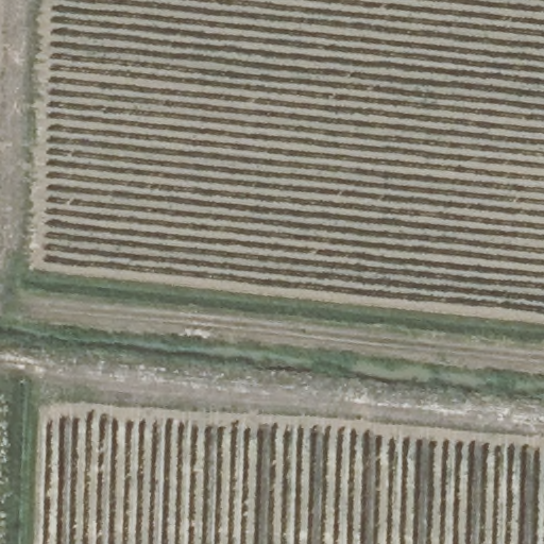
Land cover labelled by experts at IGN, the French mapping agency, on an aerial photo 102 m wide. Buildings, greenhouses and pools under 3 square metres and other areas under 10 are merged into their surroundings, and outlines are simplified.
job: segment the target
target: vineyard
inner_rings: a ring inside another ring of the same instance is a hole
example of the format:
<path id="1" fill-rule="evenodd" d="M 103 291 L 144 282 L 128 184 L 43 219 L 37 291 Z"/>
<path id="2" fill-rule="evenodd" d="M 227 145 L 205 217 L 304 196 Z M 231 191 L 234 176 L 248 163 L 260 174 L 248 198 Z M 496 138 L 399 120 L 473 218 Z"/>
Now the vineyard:
<path id="1" fill-rule="evenodd" d="M 516 342 L 506 338 L 497 340 L 485 336 L 461 336 L 423 329 L 412 329 L 410 334 L 393 334 L 383 323 L 355 323 L 353 327 L 332 327 L 317 325 L 310 319 L 266 319 L 251 315 L 200 312 L 187 308 L 108 304 L 96 298 L 23 289 L 19 291 L 19 302 L 28 304 L 34 317 L 47 323 L 94 327 L 104 332 L 223 338 L 230 342 L 257 340 L 264 344 L 338 349 L 353 351 L 359 355 L 402 357 L 414 361 L 429 361 L 436 366 L 499 368 L 544 374 L 544 342 Z"/>
<path id="2" fill-rule="evenodd" d="M 170 378 L 166 376 L 166 368 L 162 366 L 138 366 L 136 370 L 128 370 L 125 366 L 119 366 L 117 372 L 104 372 L 104 361 L 98 361 L 98 366 L 62 366 L 57 359 L 51 359 L 49 355 L 43 359 L 34 359 L 26 355 L 19 355 L 15 351 L 0 351 L 0 544 L 544 544 L 544 408 L 527 400 L 502 402 L 495 406 L 476 406 L 470 404 L 470 400 L 461 406 L 442 406 L 434 402 L 402 402 L 389 393 L 389 397 L 385 400 L 374 400 L 370 395 L 357 395 L 355 391 L 340 389 L 325 391 L 295 385 L 264 387 L 255 378 L 230 380 L 227 385 L 210 385 L 198 383 L 196 376 Z"/>
<path id="3" fill-rule="evenodd" d="M 74 276 L 162 283 L 196 289 L 219 289 L 253 295 L 319 300 L 334 304 L 359 304 L 440 315 L 527 321 L 544 325 L 544 0 L 0 0 L 0 268 L 4 264 L 4 257 L 11 251 L 17 251 L 30 257 L 32 270 Z"/>

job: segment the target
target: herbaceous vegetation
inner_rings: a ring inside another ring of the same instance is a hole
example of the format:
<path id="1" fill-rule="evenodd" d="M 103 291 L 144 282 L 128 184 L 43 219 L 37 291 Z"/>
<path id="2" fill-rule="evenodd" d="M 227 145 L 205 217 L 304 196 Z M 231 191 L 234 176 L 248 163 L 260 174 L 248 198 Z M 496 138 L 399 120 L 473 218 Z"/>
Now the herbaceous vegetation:
<path id="1" fill-rule="evenodd" d="M 340 389 L 355 391 L 357 395 L 370 395 L 374 400 L 385 400 L 389 397 L 389 393 L 402 402 L 434 402 L 442 406 L 461 406 L 470 400 L 470 397 L 455 389 L 440 389 L 436 393 L 421 389 L 389 391 L 387 385 L 380 383 L 342 378 L 319 378 L 308 374 L 255 372 L 240 363 L 208 366 L 204 359 L 208 353 L 164 351 L 140 344 L 117 344 L 119 353 L 77 351 L 74 355 L 66 355 L 64 349 L 55 349 L 49 353 L 30 351 L 26 355 L 34 359 L 43 359 L 49 355 L 51 359 L 57 359 L 62 366 L 98 366 L 98 361 L 104 361 L 104 372 L 117 372 L 119 366 L 125 366 L 128 370 L 136 370 L 138 366 L 162 366 L 166 368 L 166 376 L 170 378 L 196 376 L 198 383 L 210 385 L 227 385 L 230 380 L 255 378 L 264 387 L 295 385 L 325 391 Z"/>
<path id="2" fill-rule="evenodd" d="M 502 402 L 493 395 L 474 395 L 470 400 L 470 404 L 476 406 L 495 406 Z"/>
<path id="3" fill-rule="evenodd" d="M 17 251 L 11 251 L 4 257 L 4 264 L 0 268 L 0 327 L 13 327 L 30 332 L 34 336 L 43 336 L 43 327 L 47 323 L 34 317 L 28 304 L 19 302 L 19 291 L 23 289 L 21 281 L 32 270 L 30 257 Z"/>

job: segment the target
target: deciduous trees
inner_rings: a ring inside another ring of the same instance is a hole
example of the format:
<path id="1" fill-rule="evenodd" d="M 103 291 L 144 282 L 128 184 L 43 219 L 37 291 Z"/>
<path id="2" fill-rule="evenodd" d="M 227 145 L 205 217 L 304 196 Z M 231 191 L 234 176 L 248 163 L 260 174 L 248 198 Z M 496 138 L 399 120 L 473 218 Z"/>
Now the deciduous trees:
<path id="1" fill-rule="evenodd" d="M 19 355 L 26 355 L 30 351 L 49 353 L 55 349 L 64 349 L 66 355 L 74 355 L 77 351 L 119 353 L 117 344 L 140 344 L 164 351 L 208 353 L 244 355 L 253 359 L 270 357 L 289 363 L 306 363 L 308 374 L 319 378 L 342 378 L 346 368 L 359 368 L 368 374 L 378 372 L 391 378 L 427 380 L 431 376 L 442 376 L 453 378 L 455 383 L 472 385 L 474 393 L 470 397 L 470 400 L 474 395 L 493 395 L 502 402 L 527 400 L 544 408 L 544 374 L 499 368 L 436 366 L 429 361 L 414 361 L 402 357 L 359 355 L 353 351 L 338 349 L 264 344 L 257 340 L 230 342 L 223 338 L 104 332 L 94 327 L 47 323 L 43 327 L 43 336 L 34 336 L 30 332 L 13 327 L 0 327 L 0 351 L 15 351 Z"/>
<path id="2" fill-rule="evenodd" d="M 32 270 L 21 281 L 23 289 L 96 298 L 108 304 L 187 308 L 200 312 L 251 315 L 266 319 L 310 319 L 317 325 L 332 327 L 353 327 L 355 323 L 383 323 L 393 334 L 410 334 L 412 329 L 423 329 L 461 336 L 485 336 L 497 340 L 506 338 L 516 342 L 544 342 L 544 325 L 527 321 L 440 315 L 359 304 L 334 304 L 319 300 L 253 295 L 219 289 L 196 289 L 162 283 L 74 276 Z"/>

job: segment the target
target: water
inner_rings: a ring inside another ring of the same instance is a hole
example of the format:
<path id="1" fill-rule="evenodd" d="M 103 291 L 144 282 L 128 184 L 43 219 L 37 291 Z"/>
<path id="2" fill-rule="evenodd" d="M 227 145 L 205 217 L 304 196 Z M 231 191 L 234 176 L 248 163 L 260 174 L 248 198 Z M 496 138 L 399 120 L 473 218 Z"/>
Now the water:
<path id="1" fill-rule="evenodd" d="M 453 378 L 442 376 L 431 376 L 427 380 L 391 378 L 378 372 L 368 374 L 359 368 L 346 368 L 342 378 L 380 383 L 387 385 L 389 391 L 421 389 L 436 393 L 440 389 L 455 389 L 470 397 L 474 393 L 472 385 L 455 383 Z"/>
<path id="2" fill-rule="evenodd" d="M 240 363 L 255 372 L 308 374 L 306 363 L 289 363 L 270 357 L 253 359 L 244 355 L 208 353 L 204 359 L 208 366 Z"/>

